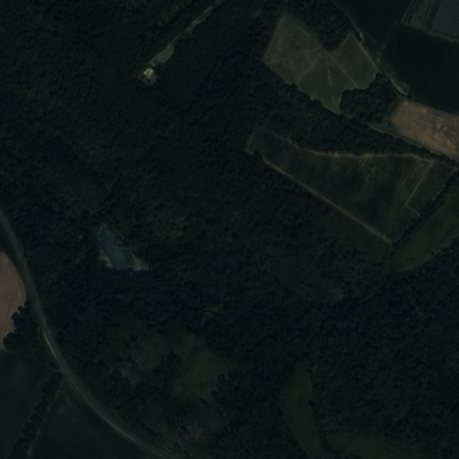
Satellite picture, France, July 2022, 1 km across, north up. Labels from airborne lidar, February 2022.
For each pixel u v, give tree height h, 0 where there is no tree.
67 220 9
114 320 25
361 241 0
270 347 24
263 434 23
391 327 19
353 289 14
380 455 0
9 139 24
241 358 28
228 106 24
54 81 6
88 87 18
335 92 0
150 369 0
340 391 22
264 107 23
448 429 21
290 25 0
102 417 0
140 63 21
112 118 18
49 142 22
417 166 0
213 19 9
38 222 28
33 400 0
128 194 20
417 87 0
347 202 0
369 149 13
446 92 0
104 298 22
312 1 18
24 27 7
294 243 9
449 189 19
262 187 20
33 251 24
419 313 25
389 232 0
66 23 21
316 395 7
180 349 0
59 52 19
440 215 0
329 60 0
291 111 22
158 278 22
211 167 21
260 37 18
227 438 23
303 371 0
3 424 0
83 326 27
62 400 0
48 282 26
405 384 22
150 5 23
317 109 19
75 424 0
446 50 0
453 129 0
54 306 31
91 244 14
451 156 0
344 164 0
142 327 0
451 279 23
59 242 8
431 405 30
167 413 0
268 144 0
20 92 7
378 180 0
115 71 22
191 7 15
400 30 0
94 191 7
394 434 15
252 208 20
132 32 23
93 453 0
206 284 9
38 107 21
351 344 17
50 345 0
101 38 23
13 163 29
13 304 0
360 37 10
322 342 7
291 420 0
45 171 8
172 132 25
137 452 0
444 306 25
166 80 11
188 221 21
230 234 29
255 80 22
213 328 22
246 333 26
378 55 0
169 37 19
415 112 0
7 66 11
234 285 29
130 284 24
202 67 14
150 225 18
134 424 15
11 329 0
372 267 11
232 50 10
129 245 20
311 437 0
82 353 18
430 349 24
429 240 0
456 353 20
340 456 9
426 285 22
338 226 0
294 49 0
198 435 0
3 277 0
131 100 23
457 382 16
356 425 8
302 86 0
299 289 0
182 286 18
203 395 0
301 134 23
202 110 13
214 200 29
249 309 29
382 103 16
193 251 22
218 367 0
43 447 0
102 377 23
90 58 20
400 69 0
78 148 18
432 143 0
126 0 23
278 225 20
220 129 10
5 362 0
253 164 14
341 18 21
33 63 18
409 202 0
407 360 23
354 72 0
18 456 24
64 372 0
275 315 29
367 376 26
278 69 0
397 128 0
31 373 0
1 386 0
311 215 16
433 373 20
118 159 23
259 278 32
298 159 0
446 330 20
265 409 23
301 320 31
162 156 21
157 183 15
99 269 23
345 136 5
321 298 6
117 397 25
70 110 11
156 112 20
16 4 17
